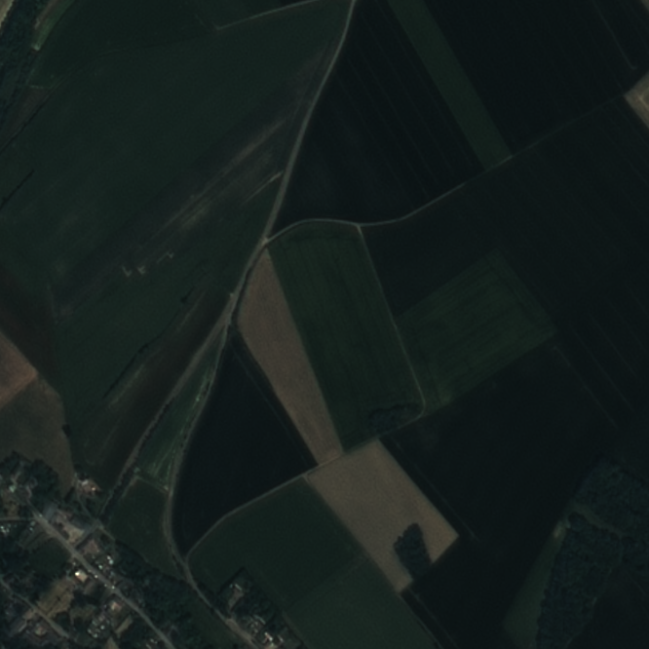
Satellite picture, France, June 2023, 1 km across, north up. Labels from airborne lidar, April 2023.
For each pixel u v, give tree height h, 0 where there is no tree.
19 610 22
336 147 0
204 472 0
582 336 0
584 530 19
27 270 0
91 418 0
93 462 0
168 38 0
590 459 0
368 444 0
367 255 0
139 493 0
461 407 0
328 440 0
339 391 0
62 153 0
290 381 0
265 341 0
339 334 0
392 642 0
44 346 0
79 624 15
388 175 0
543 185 0
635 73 0
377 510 0
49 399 0
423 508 0
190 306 0
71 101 0
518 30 0
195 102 0
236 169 0
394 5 0
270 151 0
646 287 0
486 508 0
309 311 0
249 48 0
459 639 0
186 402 0
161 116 0
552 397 0
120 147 0
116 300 0
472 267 0
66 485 0
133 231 0
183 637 10
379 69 0
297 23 0
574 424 0
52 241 0
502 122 0
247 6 0
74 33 0
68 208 0
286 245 0
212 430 0
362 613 0
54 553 0
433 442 0
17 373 0
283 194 0
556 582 11
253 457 0
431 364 0
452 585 0
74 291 0
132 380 0
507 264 0
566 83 0
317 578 0
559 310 0
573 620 18
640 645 0
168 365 0
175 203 0
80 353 0
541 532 0
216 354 0
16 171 0
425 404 0
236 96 0
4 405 0
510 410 0
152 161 0
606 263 0
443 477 0
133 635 14
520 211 0
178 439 0
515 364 0
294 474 0
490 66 0
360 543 0
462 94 0
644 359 0
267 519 0
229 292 0
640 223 0
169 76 0
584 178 0
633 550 22
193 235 0
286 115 0
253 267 0
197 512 0
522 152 0
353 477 0
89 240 0
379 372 0
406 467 0
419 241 0
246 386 0
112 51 0
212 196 0
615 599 0
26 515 13
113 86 0
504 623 0
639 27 0
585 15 0
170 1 0
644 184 0
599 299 0
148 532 0
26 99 0
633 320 0
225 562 0
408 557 10
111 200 0
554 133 0
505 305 0
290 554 0
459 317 0
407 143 0
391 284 0
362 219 0
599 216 0
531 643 0
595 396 0
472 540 0
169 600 19
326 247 0
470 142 0
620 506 22
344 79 0
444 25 0
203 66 0
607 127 0
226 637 0
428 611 0
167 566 0
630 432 0
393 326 0
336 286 0
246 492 0
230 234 0
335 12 0
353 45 0
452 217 0
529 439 0
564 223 0
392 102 0
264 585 0
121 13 0
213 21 0
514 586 0
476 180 0
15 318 0
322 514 0
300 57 0
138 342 0
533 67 0
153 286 0
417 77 0
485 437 0
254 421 0
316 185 0
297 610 0
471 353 0
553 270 0
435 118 0
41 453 0
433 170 0
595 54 0
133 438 0
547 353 0
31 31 8
